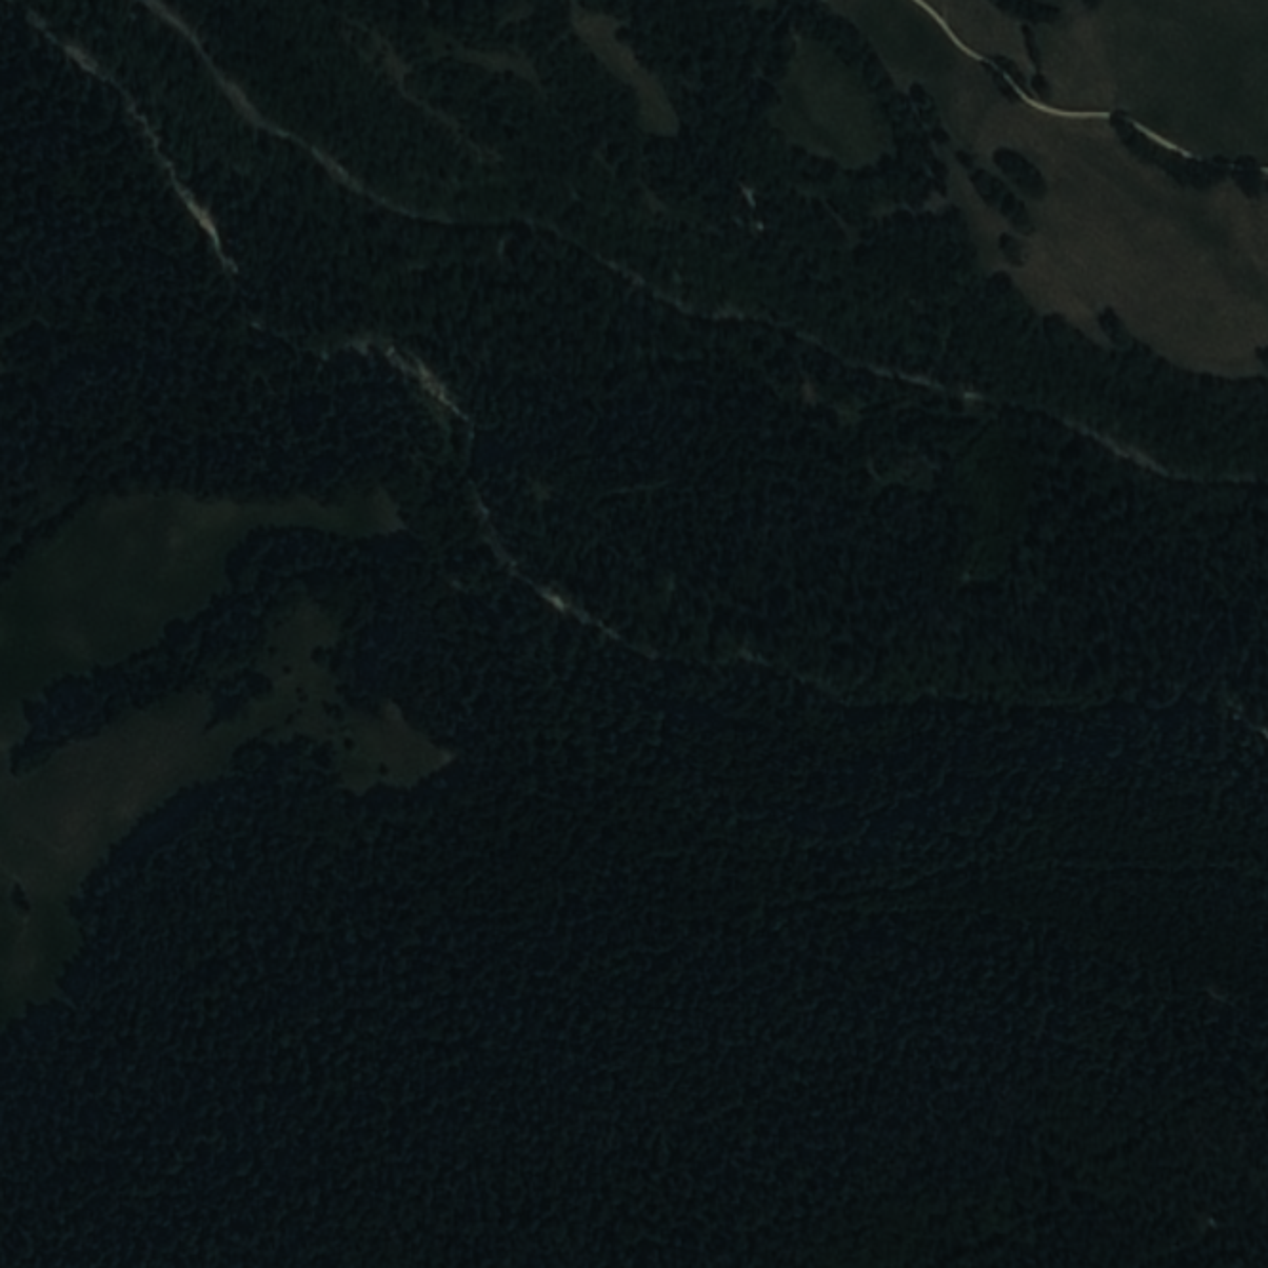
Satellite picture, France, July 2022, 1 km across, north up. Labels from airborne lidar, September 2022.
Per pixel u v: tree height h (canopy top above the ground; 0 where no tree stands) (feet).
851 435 26
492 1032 84
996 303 47
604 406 23
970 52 0
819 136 0
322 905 76
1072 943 49
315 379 66
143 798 0
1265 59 0
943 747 77
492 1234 67
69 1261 95
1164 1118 65
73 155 109
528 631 117
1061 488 53
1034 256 0
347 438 69
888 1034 53
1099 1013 91
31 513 33
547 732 69
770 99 60
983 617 86
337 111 51
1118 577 50
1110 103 0
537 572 94
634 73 0
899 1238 63
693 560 43
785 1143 92
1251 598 55
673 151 46
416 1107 88
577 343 99
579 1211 77
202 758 0
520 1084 77
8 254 74
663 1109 74
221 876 74
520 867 62
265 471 95
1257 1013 91
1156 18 0
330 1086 53
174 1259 50
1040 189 61
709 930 75
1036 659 81
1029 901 57
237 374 85
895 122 68
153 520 0
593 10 45
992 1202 61
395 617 108
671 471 45
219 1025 81
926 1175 74
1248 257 0
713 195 46
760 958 68
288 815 99
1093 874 53
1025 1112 59
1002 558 52
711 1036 43
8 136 72
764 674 57
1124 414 33
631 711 110
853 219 47
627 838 57
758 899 54
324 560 72
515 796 67
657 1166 95
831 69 0
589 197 51
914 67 0
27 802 0
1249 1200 58
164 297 72
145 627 0
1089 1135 65
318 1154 61
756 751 97
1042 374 38
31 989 0
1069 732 80
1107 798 56
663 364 90
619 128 22
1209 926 52
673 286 33
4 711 0
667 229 23
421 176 26
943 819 113
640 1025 81
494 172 46
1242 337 0
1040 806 73
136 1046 110
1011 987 99
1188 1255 48
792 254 48
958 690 98
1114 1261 62
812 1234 64
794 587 35
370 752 0
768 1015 64
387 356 31
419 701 94
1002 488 27
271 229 68
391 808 104
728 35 65
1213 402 46
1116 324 58
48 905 0
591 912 65
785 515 66
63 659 0
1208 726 38
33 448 70
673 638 108
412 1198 57
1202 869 38
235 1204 88
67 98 69
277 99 74
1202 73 0
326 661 45
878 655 86
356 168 50
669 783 76
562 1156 84
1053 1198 75
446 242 78
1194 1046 38
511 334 95
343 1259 75
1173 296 0
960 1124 76
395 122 50
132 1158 92
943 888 48
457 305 97
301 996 95
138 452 56
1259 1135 62
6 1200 84
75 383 64
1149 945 61
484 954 95
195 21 73
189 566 0
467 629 116
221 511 0
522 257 94
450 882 68
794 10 55
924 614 70
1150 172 0
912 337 70
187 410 73
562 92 27
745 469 58
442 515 93
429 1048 91
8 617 0
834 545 46
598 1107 67
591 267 67
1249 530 89
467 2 59
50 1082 24
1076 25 0
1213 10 0
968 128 0
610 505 53
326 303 48
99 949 94
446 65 22
